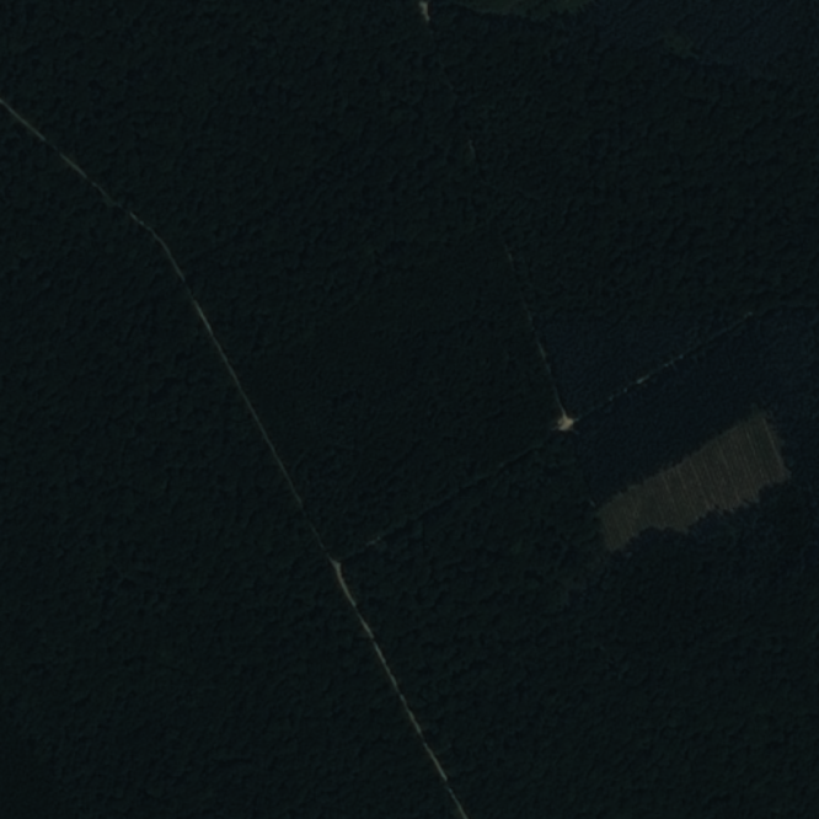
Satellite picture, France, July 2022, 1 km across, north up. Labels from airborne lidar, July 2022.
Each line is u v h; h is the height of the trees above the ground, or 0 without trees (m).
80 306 25
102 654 25
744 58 23
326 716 23
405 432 18
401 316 16
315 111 26
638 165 22
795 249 26
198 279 22
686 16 23
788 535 13
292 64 25
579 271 19
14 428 19
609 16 23
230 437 25
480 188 25
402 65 27
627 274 23
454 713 23
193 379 24
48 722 19
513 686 23
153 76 29
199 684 23
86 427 21
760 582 25
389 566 23
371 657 24
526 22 22
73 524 20
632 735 23
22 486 25
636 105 24
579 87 25
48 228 22
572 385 22
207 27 25
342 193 28
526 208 22
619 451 23
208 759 21
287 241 21
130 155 25
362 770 20
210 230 21
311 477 13
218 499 25
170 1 24
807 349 29
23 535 24
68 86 28
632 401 21
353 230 27
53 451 26
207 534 30
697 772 26
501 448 18
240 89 25
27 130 25
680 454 22
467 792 17
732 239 26
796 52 15
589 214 20
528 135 22
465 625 25
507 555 29
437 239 25
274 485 21
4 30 25
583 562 21
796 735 28
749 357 14
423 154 20
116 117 26
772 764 22
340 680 24
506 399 18
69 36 28
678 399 19
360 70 24
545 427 17
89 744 19
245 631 21
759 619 27
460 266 16
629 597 25
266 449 27
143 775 24
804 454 24
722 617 27
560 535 23
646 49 22
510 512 28
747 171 25
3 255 22
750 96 28
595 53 25
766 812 24
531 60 20
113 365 25
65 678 19
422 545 24
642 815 20
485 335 20
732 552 25
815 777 24
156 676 20
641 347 21
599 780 19
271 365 16
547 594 26
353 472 17
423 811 14
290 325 22
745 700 26
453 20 26
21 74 26
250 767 20
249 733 17
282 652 27
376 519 21
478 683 20
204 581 20
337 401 20
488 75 18
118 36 25
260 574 20
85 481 23
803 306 16
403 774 19
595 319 25
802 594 29
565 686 19
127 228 23
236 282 23
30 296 20
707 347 13
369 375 14
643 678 18
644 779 25
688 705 19
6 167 28
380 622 22
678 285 28
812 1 24
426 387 21
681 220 27
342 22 24
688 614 29
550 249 21
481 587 28
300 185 22
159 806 22
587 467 22
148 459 27
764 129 28
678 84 28
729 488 0
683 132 29
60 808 12
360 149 24
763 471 0
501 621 23
